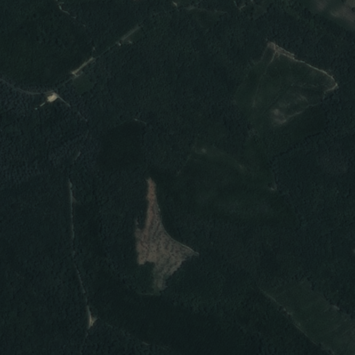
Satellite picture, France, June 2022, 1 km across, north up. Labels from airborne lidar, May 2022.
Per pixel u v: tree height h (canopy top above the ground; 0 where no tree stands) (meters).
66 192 13
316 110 6
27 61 12
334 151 19
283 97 0
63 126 25
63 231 18
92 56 13
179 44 20
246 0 15
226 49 14
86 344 17
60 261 6
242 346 8
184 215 14
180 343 10
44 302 14
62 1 17
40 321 11
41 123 20
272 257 15
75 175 19
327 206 25
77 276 10
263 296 8
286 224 6
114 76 12
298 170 24
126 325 9
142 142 10
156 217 0
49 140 21
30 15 7
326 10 0
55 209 13
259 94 0
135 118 13
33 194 16
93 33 14
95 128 17
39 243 18
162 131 20
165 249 0
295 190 27
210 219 18
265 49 13
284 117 0
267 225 12
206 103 15
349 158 19
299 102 0
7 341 23
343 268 19
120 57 14
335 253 19
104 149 8
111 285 9
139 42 14
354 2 0
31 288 16
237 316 7
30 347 18
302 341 8
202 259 16
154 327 6
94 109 21
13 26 21
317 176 21
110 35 14
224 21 14
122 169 11
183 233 20
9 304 17
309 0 0
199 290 18
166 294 18
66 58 9
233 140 8
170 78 18
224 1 14
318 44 17
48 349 16
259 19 11
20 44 7
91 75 10
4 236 14
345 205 22
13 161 22
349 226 14
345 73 12
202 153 0
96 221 8
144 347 21
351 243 17
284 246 15
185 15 19
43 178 15
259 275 17
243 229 13
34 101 16
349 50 19
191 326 8
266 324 7
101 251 11
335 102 18
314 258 22
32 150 18
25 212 17
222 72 19
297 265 21
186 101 17
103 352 33
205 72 26
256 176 5
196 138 10
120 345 23
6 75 18
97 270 10
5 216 18
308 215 21
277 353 26
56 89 16
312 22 16
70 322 7
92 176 21
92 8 10
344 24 0
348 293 16
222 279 19
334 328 0
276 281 17
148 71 16
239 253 17
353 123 19
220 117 8
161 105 16
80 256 20
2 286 25
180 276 19
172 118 13
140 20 16
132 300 7
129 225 17
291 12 15
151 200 22
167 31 15
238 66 15
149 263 22
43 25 5
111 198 16
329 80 0
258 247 12
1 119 24
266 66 0
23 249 12
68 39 10
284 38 12
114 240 18
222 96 17
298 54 14
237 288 19
